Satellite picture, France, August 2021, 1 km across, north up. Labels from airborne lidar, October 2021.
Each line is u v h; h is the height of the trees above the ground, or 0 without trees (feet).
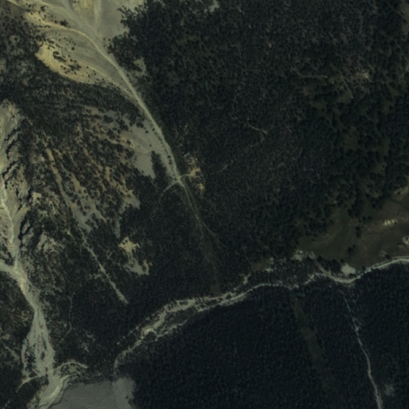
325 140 53
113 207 31
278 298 38
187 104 21
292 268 30
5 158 0
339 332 47
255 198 25
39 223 20
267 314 23
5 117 0
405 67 41
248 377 51
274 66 52
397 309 55
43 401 0
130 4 0
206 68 56
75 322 32
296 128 51
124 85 0
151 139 0
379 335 35
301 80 21
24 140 34
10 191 0
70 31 0
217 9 19
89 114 17
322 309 43
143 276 26
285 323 44
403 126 59
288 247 38
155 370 22
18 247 0
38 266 28
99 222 37
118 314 42
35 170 27
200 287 32
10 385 31
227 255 19
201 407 37
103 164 28
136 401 22
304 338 25
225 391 30
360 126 83
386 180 52
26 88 29
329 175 50
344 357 20
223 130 27
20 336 25
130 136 0
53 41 21
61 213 31
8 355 19
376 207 69
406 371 53
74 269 41
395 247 0
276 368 41
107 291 39
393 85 39
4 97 26
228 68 43
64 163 37
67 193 23
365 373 36
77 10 0
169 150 0
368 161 79
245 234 32
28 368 20
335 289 32
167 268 38
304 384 43
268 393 38
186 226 27
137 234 30
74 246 29
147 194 33
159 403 27
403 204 0
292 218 57
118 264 22
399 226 0
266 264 0
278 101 30
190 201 0
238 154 47
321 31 33
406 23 56
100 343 26
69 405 0
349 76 39
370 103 73
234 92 30
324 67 51
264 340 28
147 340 18
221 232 26
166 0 34
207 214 26
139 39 45
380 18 47
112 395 0
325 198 30
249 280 25
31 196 0
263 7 36
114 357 28
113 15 0
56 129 44
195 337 39
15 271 0
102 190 27
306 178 49
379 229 0
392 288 37
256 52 36
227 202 49
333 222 45
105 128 0
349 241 0
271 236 76
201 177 20
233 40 39
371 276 25
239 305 22
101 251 23
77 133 27
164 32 45
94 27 0
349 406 18
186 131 23
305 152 49
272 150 32
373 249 0
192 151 19
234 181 46
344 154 84
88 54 0
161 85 49
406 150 91
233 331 32
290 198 46
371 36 42
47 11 0
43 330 0
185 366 24
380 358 20
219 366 46
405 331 38
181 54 18
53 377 0
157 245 20
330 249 0
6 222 0
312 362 25
